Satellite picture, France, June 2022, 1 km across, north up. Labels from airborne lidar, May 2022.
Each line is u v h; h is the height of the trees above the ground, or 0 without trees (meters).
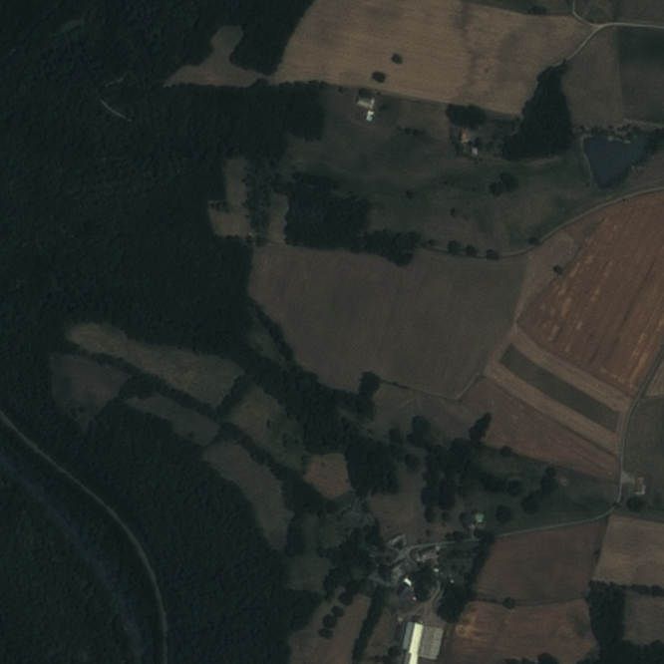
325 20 0
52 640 12
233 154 23
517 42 0
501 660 0
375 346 0
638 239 0
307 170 0
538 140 10
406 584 0
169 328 27
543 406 0
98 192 13
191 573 25
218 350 23
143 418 14
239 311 22
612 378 0
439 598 0
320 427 21
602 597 17
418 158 0
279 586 16
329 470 0
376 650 0
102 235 11
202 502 20
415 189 0
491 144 7
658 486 0
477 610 0
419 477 0
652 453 0
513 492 15
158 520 16
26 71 19
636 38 0
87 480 12
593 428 0
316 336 0
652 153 14
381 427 0
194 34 14
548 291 0
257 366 22
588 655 0
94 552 26
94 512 20
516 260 0
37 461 15
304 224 20
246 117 18
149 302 22
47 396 15
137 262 18
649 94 0
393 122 0
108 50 11
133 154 24
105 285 16
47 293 22
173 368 0
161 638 8
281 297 0
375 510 0
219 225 0
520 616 0
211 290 19
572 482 0
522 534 0
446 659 0
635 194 0
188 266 16
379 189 0
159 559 18
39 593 14
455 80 0
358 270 0
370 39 0
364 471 22
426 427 17
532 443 0
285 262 0
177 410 0
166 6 17
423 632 0
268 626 20
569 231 0
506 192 7
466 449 15
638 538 0
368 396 21
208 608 16
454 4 0
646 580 0
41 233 16
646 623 0
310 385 14
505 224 0
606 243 0
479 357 0
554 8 0
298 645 0
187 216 21
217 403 0
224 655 14
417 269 0
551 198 0
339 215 21
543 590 0
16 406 10
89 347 0
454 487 21
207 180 20
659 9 0
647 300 0
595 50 0
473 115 20
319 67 0
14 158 14
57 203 13
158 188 17
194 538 17
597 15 0
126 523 10
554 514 0
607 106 0
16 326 15
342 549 14
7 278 12
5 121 6
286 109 14
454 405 0
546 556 0
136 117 11
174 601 10
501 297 0
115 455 20
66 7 21
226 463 0
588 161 0
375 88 0
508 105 0
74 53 20
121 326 11
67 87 20
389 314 0
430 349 0
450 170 0
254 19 17
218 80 0
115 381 0
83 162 15
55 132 23
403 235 11
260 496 0
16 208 14
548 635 0
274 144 18
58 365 0
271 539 0
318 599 16
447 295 0
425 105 0
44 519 24
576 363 0
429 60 0
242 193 0
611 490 0
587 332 0
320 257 0
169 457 16
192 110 15
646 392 0
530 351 0
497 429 0
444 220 0
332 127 0
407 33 0
